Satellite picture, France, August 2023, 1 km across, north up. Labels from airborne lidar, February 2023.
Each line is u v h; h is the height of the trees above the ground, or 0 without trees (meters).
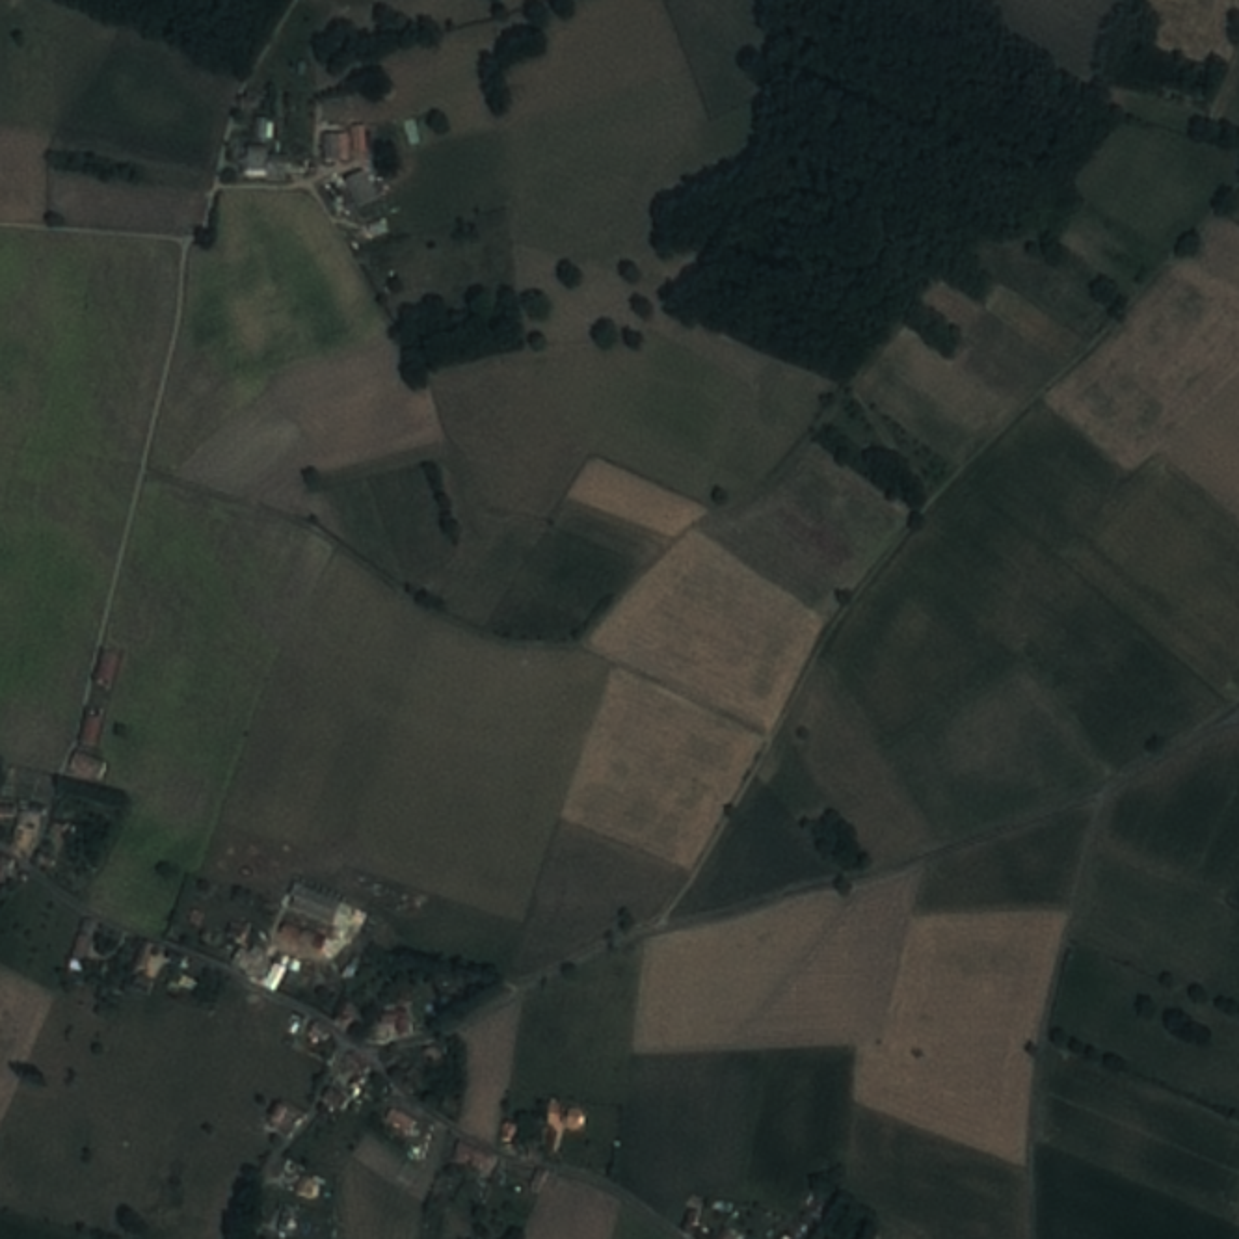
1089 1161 0
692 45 0
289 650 0
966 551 0
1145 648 0
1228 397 0
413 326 18
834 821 13
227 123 0
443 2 0
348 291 0
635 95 0
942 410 0
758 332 19
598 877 0
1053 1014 0
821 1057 0
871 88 27
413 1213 0
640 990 0
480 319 16
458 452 0
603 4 0
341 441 0
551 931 0
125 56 0
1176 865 0
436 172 0
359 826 0
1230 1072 0
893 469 16
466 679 0
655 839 0
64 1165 0
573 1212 0
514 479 0
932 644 0
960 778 0
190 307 0
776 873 0
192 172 0
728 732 0
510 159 0
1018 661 0
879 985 0
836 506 0
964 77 26
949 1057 0
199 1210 0
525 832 0
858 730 0
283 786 0
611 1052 0
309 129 0
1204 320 0
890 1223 0
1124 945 0
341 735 0
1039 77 22
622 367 0
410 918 0
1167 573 0
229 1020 0
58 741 0
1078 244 0
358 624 0
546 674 0
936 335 15
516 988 0
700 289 26
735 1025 0
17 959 0
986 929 0
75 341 0
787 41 25
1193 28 0
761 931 0
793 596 0
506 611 0
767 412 0
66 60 0
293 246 0
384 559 0
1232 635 0
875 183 25
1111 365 0
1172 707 0
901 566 0
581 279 13
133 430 0
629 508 0
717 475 0
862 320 14
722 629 0
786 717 0
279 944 0
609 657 0
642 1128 0
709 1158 0
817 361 19
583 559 0
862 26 23
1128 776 0
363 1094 0
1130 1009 0
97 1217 0
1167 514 0
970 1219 0
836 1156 0
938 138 24
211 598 0
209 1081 0
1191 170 0
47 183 0
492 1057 0
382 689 0
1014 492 0
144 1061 0
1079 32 0
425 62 0
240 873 0
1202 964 0
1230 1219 0
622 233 0
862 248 22
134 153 0
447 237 0
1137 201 0
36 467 0
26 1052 0
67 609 0
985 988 0
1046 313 0
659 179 0
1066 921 0
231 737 0
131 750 0
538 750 0
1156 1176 0
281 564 0
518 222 0
